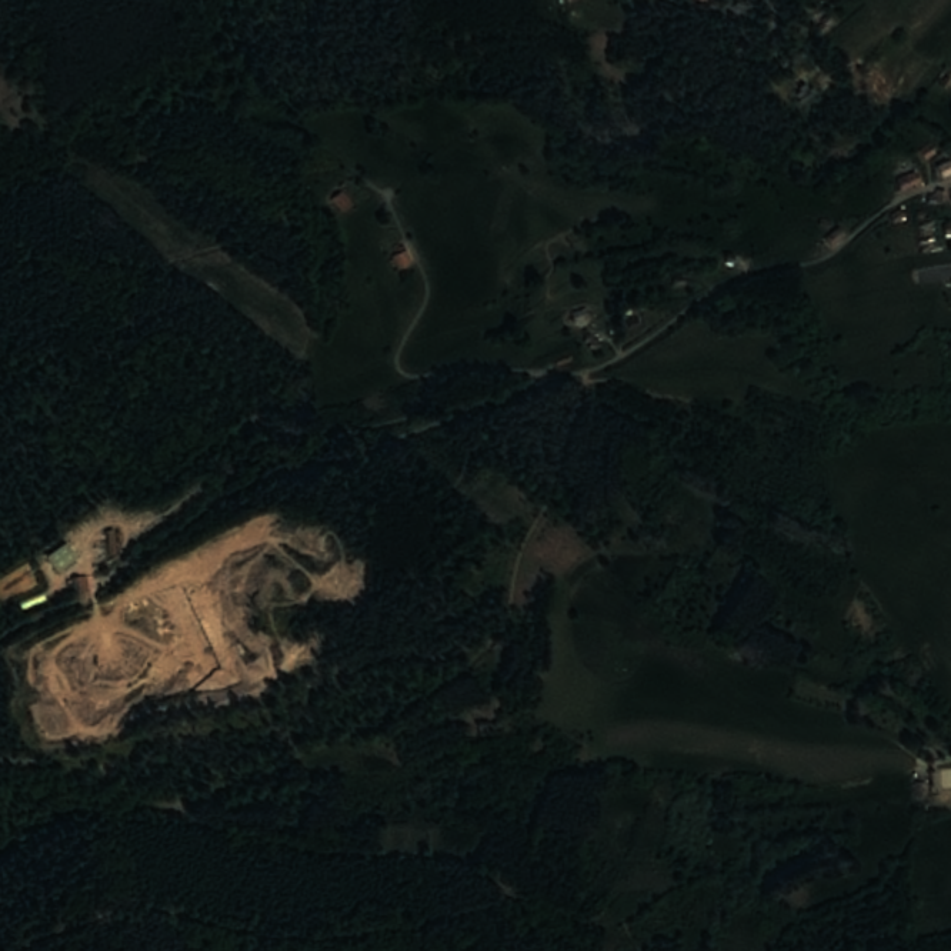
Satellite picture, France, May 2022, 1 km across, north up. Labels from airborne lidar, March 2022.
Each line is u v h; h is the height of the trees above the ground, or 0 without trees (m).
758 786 9
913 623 0
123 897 18
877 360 0
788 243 0
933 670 0
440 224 0
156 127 14
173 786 20
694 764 0
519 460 23
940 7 0
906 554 0
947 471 0
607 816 0
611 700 0
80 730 0
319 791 28
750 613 27
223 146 14
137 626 0
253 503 17
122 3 17
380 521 16
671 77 21
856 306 0
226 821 22
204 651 0
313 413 30
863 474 0
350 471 26
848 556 13
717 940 7
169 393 13
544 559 0
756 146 27
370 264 0
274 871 19
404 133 0
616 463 34
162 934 20
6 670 7
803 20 20
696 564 5
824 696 0
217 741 24
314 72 26
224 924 20
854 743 0
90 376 11
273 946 24
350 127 0
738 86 22
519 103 25
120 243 24
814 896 0
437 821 11
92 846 19
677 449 22
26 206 20
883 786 0
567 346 0
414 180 0
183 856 17
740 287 14
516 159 0
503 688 16
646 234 0
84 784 21
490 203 0
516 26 10
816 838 20
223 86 16
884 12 0
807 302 11
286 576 0
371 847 21
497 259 0
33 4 18
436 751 15
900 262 0
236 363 21
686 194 0
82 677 0
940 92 0
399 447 25
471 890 23
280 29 12
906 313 0
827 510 17
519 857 18
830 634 0
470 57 12
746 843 6
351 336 0
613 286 12
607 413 24
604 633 0
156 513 0
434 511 19
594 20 0
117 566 0
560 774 24
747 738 0
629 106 23
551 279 0
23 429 31
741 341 0
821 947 9
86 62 16
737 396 0
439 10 16
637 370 0
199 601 0
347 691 25
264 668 0
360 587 0
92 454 15
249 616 0
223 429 25
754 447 8
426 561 13
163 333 20
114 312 16
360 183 10
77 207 22
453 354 0
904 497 0
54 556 0
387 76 28
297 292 21
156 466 20
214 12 13
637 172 14
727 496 30
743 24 24
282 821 8
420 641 27
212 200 25
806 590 11
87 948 20
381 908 27
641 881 0
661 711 0
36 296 20
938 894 0
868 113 23
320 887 15
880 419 8
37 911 33
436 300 0
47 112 17
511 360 0
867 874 0
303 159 16
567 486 17
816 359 7
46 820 7
